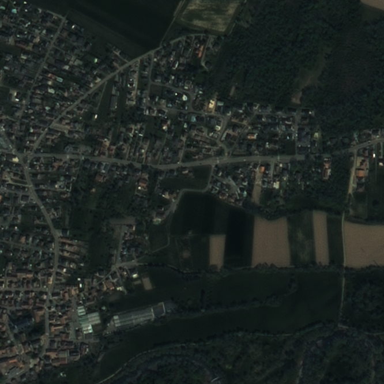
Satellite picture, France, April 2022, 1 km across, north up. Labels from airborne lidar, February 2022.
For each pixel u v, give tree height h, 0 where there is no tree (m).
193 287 0
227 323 0
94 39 9
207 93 16
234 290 0
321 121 21
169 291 0
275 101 11
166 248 0
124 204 0
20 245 0
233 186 0
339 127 20
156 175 17
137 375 11
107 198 7
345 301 8
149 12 0
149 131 0
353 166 0
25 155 0
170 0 0
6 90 0
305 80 0
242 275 0
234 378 10
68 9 0
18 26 7
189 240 0
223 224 0
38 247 7
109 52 12
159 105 0
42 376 8
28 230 0
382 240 0
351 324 0
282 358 15
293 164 17
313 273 0
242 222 0
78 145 0
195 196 0
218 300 0
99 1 0
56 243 0
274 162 0
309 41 24
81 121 0
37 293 0
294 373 35
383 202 0
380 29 18
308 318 0
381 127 0
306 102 17
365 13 0
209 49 9
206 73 9
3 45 0
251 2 0
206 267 0
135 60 0
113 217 7
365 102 24
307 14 19
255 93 16
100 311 9
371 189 0
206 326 0
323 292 0
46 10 0
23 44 0
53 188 0
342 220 0
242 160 0
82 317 0
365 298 18
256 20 21
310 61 22
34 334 14
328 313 0
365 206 0
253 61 20
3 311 0
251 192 8
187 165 0
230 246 0
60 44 0
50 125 0
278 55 17
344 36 7
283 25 19
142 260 0
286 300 0
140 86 0
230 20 0
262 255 0
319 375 17
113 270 0
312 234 0
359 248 0
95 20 0
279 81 21
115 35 0
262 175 0
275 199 8
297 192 15
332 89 5
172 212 0
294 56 20
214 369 11
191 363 12
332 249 0
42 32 0
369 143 0
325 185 10
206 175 0
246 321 0
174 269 8
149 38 0
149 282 0
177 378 20
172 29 0
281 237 0
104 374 0
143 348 0
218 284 0
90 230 7
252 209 30
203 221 0
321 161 11
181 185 0
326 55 8
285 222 0
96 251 0
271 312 0
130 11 0
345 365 10
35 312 0
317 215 0
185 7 0
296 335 8
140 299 0
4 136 0
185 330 0
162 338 0
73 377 0
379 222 17
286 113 0
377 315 15
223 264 0
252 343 14
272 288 0
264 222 0
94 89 0
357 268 0
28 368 0
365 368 18
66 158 0
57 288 0
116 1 0
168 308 0
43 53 0
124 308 0
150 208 8
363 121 21
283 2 21
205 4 0
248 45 25
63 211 0
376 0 0
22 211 7
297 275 0
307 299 0
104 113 0
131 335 0
